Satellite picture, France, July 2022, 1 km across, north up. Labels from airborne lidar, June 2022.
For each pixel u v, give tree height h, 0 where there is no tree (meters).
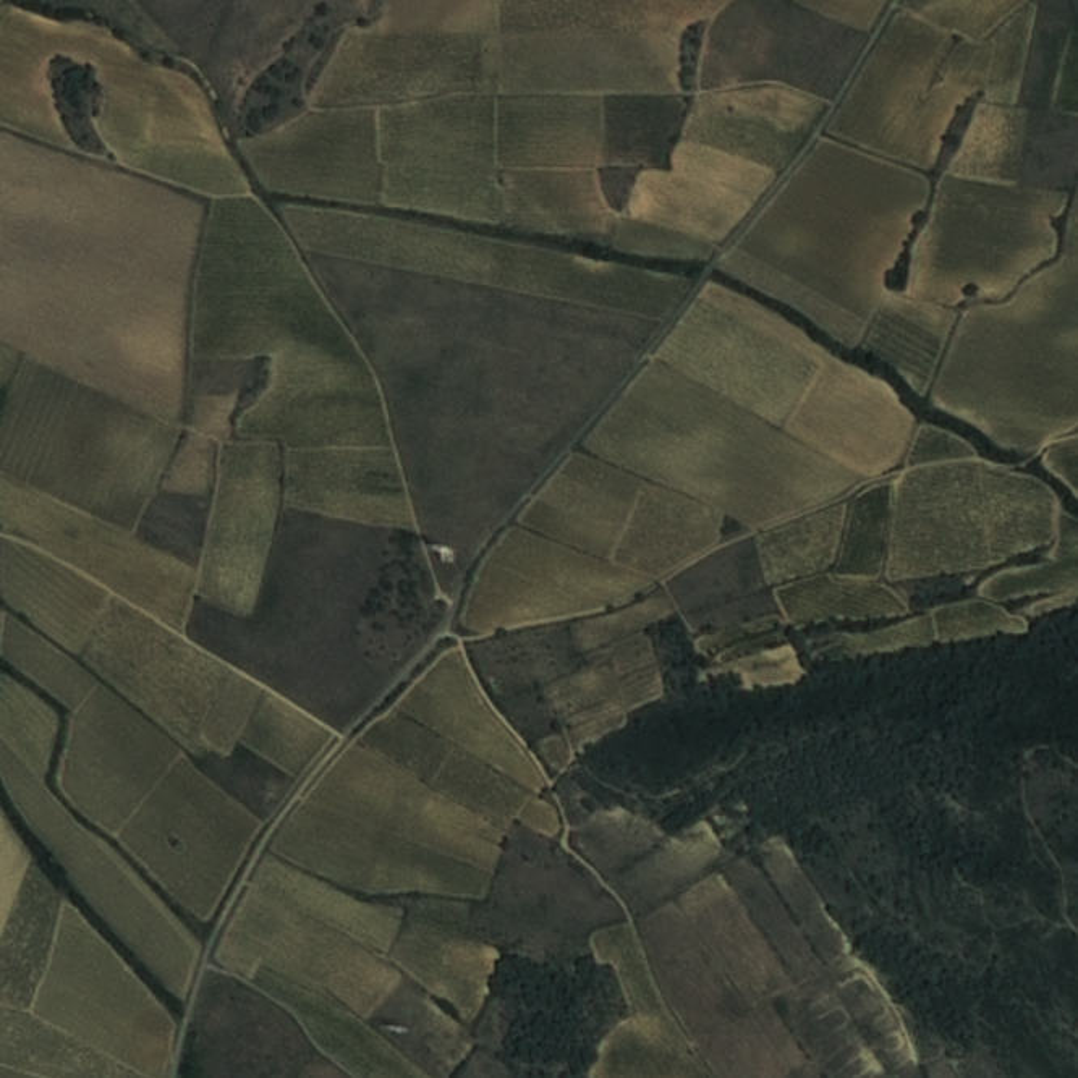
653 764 0
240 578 0
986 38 0
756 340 0
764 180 0
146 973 7
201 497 0
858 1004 0
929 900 0
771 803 11
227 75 0
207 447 0
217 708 0
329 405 0
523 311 0
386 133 0
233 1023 0
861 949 11
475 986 0
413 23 0
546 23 0
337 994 0
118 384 0
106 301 0
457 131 0
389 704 7
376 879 0
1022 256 0
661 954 0
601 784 0
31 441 0
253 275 0
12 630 0
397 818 0
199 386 0
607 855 0
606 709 0
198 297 0
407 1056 0
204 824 0
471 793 0
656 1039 0
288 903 0
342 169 0
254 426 0
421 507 0
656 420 0
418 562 0
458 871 0
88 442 0
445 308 0
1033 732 7
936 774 11
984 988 7
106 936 7
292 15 0
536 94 0
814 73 0
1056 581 0
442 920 0
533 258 0
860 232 0
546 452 0
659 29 0
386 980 0
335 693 0
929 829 9
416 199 0
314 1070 0
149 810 0
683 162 0
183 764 0
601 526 0
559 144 0
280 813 0
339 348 0
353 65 0
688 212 0
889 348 0
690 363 0
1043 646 13
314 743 0
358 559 0
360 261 0
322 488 0
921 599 10
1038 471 8
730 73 0
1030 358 0
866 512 0
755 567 0
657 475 0
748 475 0
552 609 0
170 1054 0
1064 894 0
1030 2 0
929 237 0
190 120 0
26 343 0
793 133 0
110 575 0
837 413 0
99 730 0
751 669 0
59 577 0
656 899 0
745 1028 0
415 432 0
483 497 0
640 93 0
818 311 0
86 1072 0
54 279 0
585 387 0
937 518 0
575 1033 11
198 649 0
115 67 0
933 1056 0
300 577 0
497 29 0
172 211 0
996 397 0
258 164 0
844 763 13
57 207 0
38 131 0
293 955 0
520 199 0
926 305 0
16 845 0
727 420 0
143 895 0
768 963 0
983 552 0
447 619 0
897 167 0
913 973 8
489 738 0
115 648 0
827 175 0
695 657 6
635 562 0
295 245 0
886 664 12
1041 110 0
